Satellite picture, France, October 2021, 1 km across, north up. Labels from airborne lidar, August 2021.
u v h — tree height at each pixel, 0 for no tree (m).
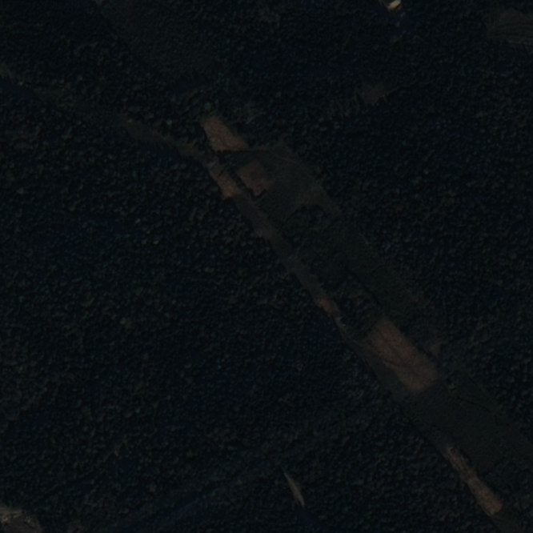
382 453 18
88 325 17
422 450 18
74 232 17
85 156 17
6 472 13
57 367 13
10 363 18
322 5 21
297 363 30
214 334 23
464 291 10
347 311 17
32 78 8
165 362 18
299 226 8
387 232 20
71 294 23
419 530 21
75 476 13
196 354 10
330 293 18
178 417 15
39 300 13
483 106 17
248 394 23
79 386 14
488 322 19
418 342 33
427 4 24
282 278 15
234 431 23
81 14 20
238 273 23
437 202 19
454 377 11
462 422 0
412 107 24
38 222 25
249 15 25
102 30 17
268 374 27
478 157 17
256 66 26
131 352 17
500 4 22
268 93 27
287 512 25
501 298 16
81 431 15
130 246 20
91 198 24
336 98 24
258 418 10
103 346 10
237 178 10
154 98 19
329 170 8
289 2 21
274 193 0
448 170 18
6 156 32
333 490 20
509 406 19
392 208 14
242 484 24
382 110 8
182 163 21
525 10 6
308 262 7
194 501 33
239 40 18
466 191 19
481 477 10
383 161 16
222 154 7
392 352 8
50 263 16
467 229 18
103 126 9
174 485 9
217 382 21
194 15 25
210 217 18
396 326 6
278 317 22
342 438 25
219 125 6
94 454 17
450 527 18
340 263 7
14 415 20
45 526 23
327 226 44
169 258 19
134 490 24
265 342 12
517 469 9
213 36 28
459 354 16
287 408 11
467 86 20
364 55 22
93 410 9
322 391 32
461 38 20
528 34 0
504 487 6
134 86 19
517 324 15
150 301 21
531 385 18
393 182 13
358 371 26
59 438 9
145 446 21
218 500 25
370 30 20
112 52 14
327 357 31
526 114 17
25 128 23
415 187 20
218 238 13
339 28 19
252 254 19
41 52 16
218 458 16
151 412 9
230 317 11
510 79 24
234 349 23
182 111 16
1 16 14
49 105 9
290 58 30
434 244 22
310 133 23
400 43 21
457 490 7
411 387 6
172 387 13
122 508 20
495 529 16
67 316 17
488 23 19
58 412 19
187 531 23
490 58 12
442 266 15
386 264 16
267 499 23
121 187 7
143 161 13
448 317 17
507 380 23
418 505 27
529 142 25
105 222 23
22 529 0
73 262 17
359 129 24
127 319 22
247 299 11
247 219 0
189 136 14
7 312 11
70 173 15
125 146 14
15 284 15
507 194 15
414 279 18
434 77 19
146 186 11
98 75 19
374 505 22
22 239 14
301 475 20
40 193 27
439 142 23
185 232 12
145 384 21
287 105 26
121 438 19
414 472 17
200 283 21
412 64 18
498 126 16
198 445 24
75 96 9
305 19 26
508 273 12
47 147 18
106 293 20
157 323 10
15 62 24
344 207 13
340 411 10
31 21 16
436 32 18
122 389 15
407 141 16
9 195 7
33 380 8
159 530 28
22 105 24
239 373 19
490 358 19
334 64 18
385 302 27
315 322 10
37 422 8
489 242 14
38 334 8
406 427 8
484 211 20
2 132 34
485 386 16
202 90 16
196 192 18
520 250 23
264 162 0
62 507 17
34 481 20
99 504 12
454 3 21
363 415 17
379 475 17
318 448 17
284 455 25
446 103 15
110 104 12
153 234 24
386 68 22
